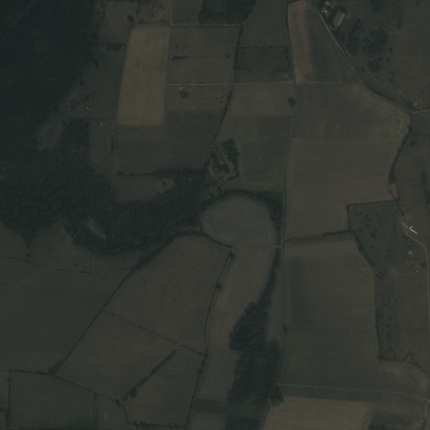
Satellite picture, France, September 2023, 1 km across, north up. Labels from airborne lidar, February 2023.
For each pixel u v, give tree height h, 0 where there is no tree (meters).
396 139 0
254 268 0
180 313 0
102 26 0
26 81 17
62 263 0
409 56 0
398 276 0
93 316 0
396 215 0
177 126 0
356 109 0
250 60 0
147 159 0
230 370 0
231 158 6
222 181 8
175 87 0
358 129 0
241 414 0
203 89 0
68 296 0
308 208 0
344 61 0
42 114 13
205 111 0
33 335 0
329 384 0
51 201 21
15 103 15
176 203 14
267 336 0
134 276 0
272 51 0
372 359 0
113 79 0
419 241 0
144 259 13
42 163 10
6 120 12
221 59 0
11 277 0
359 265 0
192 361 0
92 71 0
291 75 0
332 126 0
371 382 0
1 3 22
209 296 0
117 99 0
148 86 0
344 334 0
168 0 0
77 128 12
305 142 0
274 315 0
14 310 0
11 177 10
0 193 21
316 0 0
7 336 0
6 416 9
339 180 0
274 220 13
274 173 0
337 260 0
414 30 0
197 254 0
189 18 0
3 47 23
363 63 0
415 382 0
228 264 0
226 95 0
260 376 0
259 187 0
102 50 0
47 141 0
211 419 0
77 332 0
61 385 0
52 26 22
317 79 0
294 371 0
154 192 0
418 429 0
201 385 0
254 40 0
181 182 15
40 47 20
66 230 12
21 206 20
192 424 0
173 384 0
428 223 0
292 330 0
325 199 0
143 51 0
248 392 0
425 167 0
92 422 0
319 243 0
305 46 0
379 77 0
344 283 0
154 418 0
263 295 19
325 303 0
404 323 0
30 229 13
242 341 19
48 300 0
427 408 0
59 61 19
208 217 0
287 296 0
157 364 0
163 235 10
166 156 0
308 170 0
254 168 0
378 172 0
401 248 0
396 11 0
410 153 0
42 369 0
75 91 0
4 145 11
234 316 0
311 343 0
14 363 0
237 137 0
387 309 0
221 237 0
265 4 0
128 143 0
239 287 0
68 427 0
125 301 0
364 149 0
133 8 0
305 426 0
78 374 0
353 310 0
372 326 0
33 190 21
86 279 0
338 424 0
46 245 0
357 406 0
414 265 0
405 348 0
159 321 0
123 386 0
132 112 0
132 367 0
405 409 0
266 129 0
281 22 0
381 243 0
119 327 0
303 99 0
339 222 0
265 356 0
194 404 0
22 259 0
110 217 6
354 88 0
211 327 0
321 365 0
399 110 0
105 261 0
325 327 0
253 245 0
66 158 9
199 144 0
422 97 0
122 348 0
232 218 0
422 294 0
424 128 0
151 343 0
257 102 0
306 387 0
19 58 20
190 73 0
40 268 0
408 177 0
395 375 0
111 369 0
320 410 0
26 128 12
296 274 0
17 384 0
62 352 0
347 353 0
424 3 0
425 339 0
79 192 20
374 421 0
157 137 0
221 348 0
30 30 21
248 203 0
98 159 0
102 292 0
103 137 0
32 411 0
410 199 0
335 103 0
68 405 0
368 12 0
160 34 0
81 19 11
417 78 0
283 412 0
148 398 0
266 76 0
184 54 0
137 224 11
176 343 0
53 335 0
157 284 0
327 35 0
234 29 0
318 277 0
